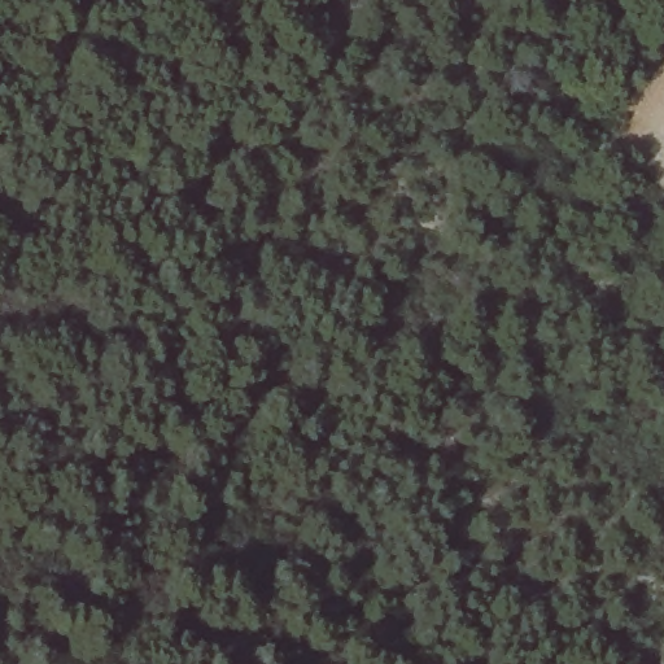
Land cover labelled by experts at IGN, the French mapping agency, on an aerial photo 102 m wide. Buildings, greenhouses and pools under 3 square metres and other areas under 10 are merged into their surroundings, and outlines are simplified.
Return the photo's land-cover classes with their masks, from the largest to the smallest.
<instances>
[{"label":"coniferous trees","instance_id":"1","mask_svg":"<svg viewBox=\"0 0 664 664\"><path fill-rule=\"evenodd\" d=\"M654 78L664 80V0H0V664H664V182L654 179V137L633 135L630 122L633 106L643 99L648 83Z\"/></svg>","mask_w":664,"mask_h":664},{"label":"vineyard","instance_id":"2","mask_svg":"<svg viewBox=\"0 0 664 664\"><path fill-rule=\"evenodd\" d=\"M633 135L654 137V179L664 182V80L654 78L648 83L643 99L633 106L630 122Z\"/></svg>","mask_w":664,"mask_h":664}]
</instances>
